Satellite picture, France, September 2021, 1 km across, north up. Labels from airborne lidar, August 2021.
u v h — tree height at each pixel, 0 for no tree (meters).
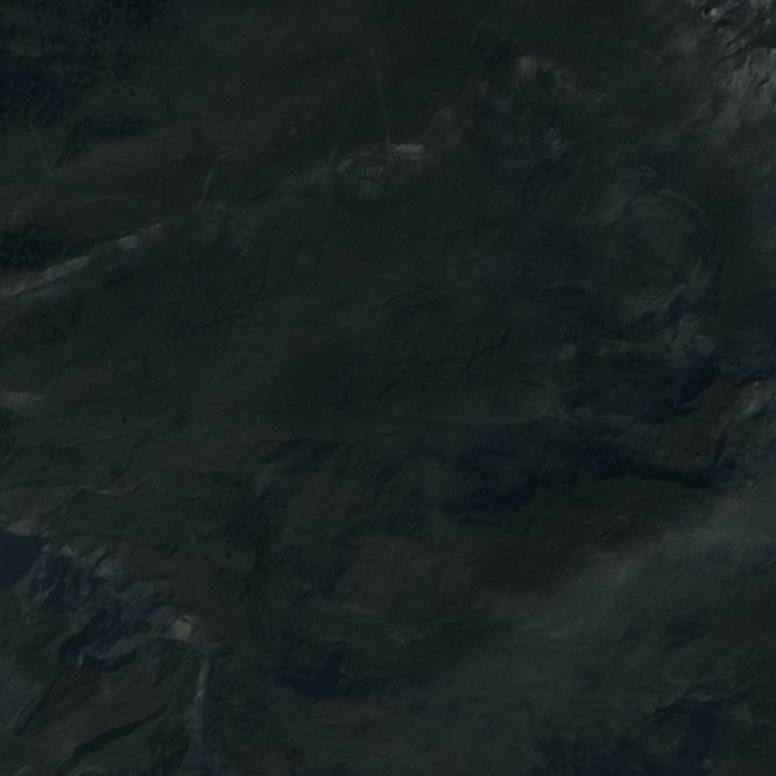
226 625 0
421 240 0
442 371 0
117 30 0
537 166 0
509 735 0
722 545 0
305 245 0
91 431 0
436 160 0
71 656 0
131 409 0
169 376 0
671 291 0
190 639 0
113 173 0
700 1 0
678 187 0
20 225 0
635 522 0
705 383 0
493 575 0
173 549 0
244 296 0
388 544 0
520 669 0
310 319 0
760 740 0
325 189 0
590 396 0
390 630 0
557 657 0
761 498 0
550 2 0
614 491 0
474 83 0
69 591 0
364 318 0
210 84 0
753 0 0
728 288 0
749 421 0
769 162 0
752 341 0
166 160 0
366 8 0
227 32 0
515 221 0
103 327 0
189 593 0
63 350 0
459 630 0
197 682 0
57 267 0
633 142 0
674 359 0
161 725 0
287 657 0
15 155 0
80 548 0
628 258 0
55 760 0
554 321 0
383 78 0
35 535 0
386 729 0
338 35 0
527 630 0
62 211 0
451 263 0
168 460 0
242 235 0
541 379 0
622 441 0
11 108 12
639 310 0
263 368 0
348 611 0
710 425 0
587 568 0
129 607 0
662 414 0
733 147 0
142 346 0
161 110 0
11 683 0
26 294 0
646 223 0
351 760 0
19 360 0
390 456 0
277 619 0
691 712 0
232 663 0
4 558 0
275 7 0
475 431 0
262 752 0
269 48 0
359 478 0
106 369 0
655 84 0
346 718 0
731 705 0
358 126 0
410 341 0
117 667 0
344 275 0
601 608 0
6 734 0
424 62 0
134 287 0
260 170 0
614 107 0
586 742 0
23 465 0
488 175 0
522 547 0
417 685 0
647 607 0
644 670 0
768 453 0
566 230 0
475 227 0
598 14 0
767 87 0
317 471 0
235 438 0
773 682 0
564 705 0
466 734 0
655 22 0
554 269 0
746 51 0
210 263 0
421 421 0
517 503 0
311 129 0
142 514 0
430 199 0
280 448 0
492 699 0
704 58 0
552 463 0
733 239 0
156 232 0
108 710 0
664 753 0
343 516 0
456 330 0
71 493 0
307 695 0
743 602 0
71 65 14
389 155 0
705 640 0
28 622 0
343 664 0
